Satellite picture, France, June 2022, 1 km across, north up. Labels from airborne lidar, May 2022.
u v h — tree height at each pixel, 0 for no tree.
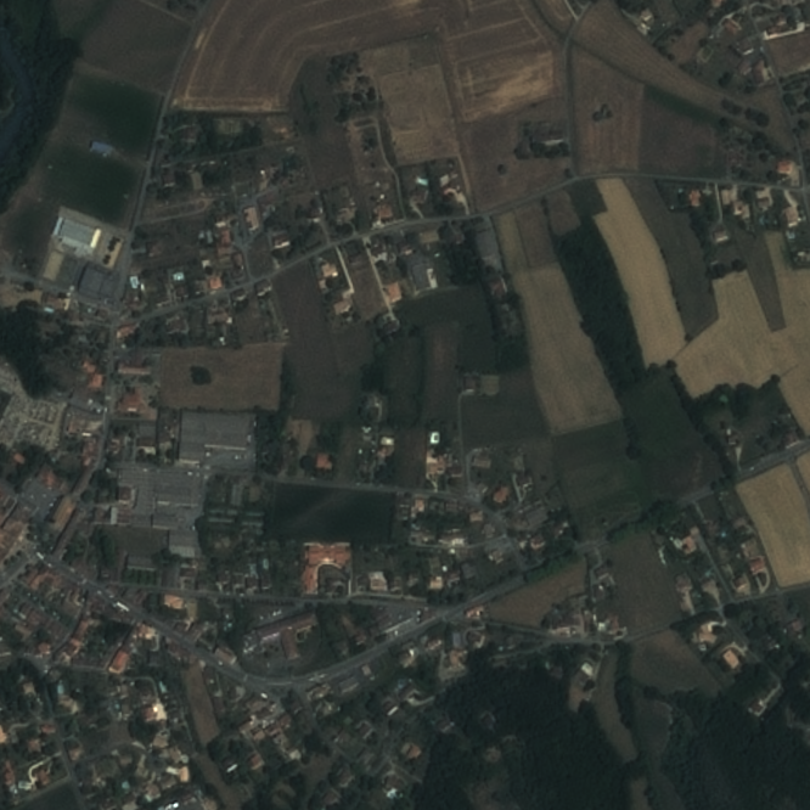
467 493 0
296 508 0
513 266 0
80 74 0
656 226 0
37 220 0
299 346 0
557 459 0
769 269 0
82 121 0
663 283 0
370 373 8
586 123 0
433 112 0
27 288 10
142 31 0
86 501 11
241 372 0
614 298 8
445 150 0
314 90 0
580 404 0
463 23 0
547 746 14
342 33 0
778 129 0
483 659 13
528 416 0
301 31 0
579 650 13
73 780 0
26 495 0
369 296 0
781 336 0
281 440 14
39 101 16
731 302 0
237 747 12
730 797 12
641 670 0
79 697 13
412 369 0
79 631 0
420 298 0
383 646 0
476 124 0
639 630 0
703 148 0
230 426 0
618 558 0
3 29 10
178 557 8
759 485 0
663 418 0
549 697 17
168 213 0
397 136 0
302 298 0
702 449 0
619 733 0
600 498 0
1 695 8
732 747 17
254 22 0
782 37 0
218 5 0
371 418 7
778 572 0
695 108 0
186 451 0
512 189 0
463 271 11
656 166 0
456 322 0
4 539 0
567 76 0
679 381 12
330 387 0
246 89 0
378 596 0
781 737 19
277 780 5
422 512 8
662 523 27
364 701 8
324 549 0
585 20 0
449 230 13
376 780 8
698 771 13
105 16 0
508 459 0
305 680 0
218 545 0
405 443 0
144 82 0
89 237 0
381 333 11
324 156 0
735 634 0
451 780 16
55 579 0
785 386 0
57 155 0
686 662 0
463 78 0
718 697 6
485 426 0
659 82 0
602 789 12
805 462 0
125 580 8
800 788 16
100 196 0
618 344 7
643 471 0
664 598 0
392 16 0
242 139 9
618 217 0
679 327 0
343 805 13
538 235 0
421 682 6
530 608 0
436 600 9
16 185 9
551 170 0
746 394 28
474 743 6
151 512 0
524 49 0
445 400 0
